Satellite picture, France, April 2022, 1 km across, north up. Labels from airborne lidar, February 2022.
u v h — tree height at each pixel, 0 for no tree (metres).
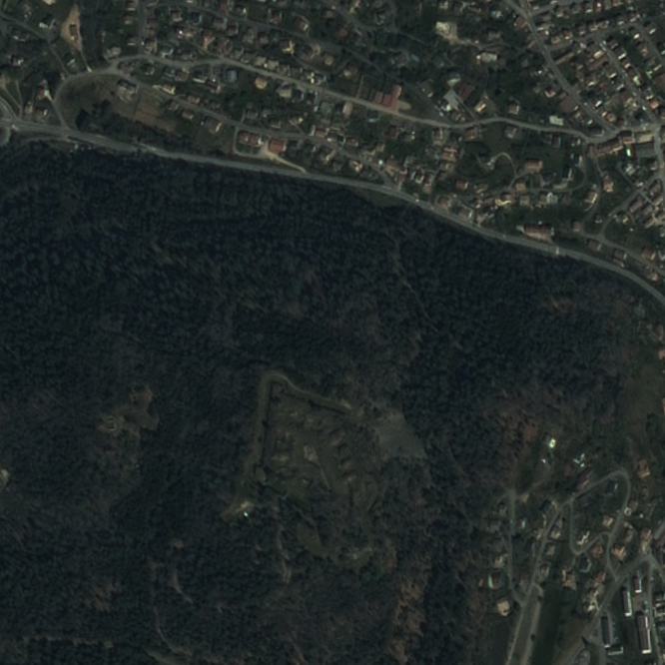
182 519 16
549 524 0
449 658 31
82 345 19
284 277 8
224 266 28
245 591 17
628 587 0
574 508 0
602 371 10
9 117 0
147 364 20
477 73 17
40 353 29
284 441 0
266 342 16
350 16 0
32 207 18
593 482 0
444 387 34
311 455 0
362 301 9
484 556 15
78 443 21
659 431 11
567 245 8
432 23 0
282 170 0
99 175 29
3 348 29
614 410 25
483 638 14
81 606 24
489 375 24
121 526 24
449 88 0
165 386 15
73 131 0
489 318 24
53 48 19
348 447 0
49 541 24
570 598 12
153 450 25
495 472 21
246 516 0
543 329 17
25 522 0
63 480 21
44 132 0
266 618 24
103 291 14
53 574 24
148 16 0
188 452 21
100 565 23
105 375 25
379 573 15
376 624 18
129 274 10
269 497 22
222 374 27
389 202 0
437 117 0
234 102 10
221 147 0
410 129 0
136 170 17
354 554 10
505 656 0
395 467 16
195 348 20
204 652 15
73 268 37
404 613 11
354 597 16
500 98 13
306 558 16
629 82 0
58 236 31
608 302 29
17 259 30
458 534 17
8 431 25
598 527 0
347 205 11
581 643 0
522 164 0
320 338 11
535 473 0
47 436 29
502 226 14
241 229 17
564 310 19
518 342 14
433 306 21
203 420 14
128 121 7
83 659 36
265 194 15
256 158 0
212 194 17
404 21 10
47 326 8
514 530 0
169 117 0
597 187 0
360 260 26
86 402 21
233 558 16
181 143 15
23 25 0
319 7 6
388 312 30
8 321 26
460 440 33
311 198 11
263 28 0
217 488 28
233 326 7
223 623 25
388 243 18
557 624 0
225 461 17
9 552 21
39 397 24
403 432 0
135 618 25
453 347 35
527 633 0
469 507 19
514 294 13
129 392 21
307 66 0
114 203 30
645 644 0
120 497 23
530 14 0
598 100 0
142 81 0
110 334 21
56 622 24
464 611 32
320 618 24
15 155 12
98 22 19
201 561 22
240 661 13
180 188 22
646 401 0
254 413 7
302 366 17
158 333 16
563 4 0
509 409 21
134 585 19
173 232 14
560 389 21
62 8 0
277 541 23
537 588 0
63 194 16
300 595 28
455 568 50
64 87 0
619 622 0
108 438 14
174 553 27
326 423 0
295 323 9
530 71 7
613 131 0
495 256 16
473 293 17
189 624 22
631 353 13
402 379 17
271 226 22
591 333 15
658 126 0
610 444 13
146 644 24
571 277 20
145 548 18
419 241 18
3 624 13
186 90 0
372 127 10
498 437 21
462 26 0
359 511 10
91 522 29
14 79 15
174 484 24
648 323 8
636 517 11
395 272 29
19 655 31
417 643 21
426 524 14
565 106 0
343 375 10
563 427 21
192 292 30
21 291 9
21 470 18
